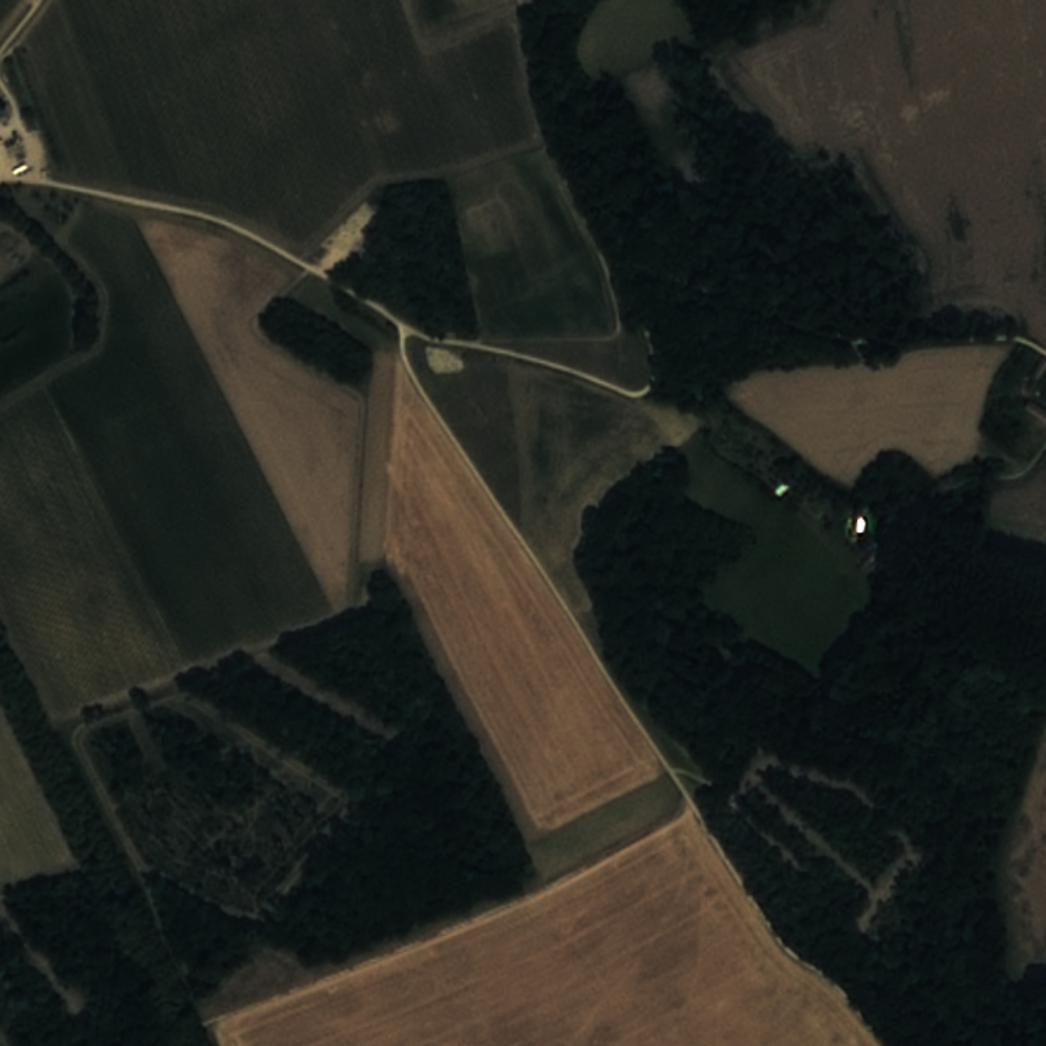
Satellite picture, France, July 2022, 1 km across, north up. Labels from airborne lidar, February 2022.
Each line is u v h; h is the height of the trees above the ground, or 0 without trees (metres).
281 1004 0
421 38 0
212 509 0
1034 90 0
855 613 0
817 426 0
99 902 24
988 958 32
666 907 0
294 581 0
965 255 0
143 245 0
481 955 0
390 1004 0
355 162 0
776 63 0
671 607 27
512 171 0
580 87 9
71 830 18
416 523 0
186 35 0
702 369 17
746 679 30
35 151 0
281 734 19
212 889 0
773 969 0
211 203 0
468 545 0
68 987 17
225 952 22
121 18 0
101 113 0
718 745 22
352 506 0
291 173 0
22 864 0
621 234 24
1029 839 0
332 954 18
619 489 8
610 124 27
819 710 32
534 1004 0
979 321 12
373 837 24
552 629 0
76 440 0
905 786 8
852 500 14
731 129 27
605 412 0
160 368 0
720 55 0
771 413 0
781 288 26
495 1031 0
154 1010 22
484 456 0
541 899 0
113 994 20
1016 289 0
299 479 0
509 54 0
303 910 22
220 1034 0
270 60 0
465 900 21
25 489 0
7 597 0
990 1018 26
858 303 31
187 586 0
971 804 27
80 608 0
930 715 24
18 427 0
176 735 20
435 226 11
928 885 22
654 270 20
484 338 0
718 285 27
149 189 0
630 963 0
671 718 22
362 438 0
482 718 0
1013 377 0
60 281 0
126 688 0
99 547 0
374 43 0
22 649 0
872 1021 17
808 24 0
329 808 0
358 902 24
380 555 0
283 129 0
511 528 0
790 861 13
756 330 27
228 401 0
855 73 0
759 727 25
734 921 0
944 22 0
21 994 24
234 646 0
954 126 0
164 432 0
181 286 0
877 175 0
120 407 0
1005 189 0
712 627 19
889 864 15
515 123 0
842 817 15
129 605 0
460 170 0
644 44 0
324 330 14
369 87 0
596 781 0
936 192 0
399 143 0
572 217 0
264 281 0
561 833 0
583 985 0
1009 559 39
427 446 0
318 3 0
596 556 19
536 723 0
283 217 0
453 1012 0
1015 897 0
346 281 15
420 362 0
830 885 15
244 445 0
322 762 19
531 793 0
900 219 0
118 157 0
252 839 0
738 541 8
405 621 22
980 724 23
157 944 22
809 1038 0
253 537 0
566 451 0
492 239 0
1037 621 24
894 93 0
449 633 0
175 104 0
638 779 0
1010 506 0
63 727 0
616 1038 0
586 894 0
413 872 28
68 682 0
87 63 0
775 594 0
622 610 23
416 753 22
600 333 0
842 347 21
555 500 0
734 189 18
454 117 0
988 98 0
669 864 0
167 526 0
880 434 0
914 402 0
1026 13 0
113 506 0
